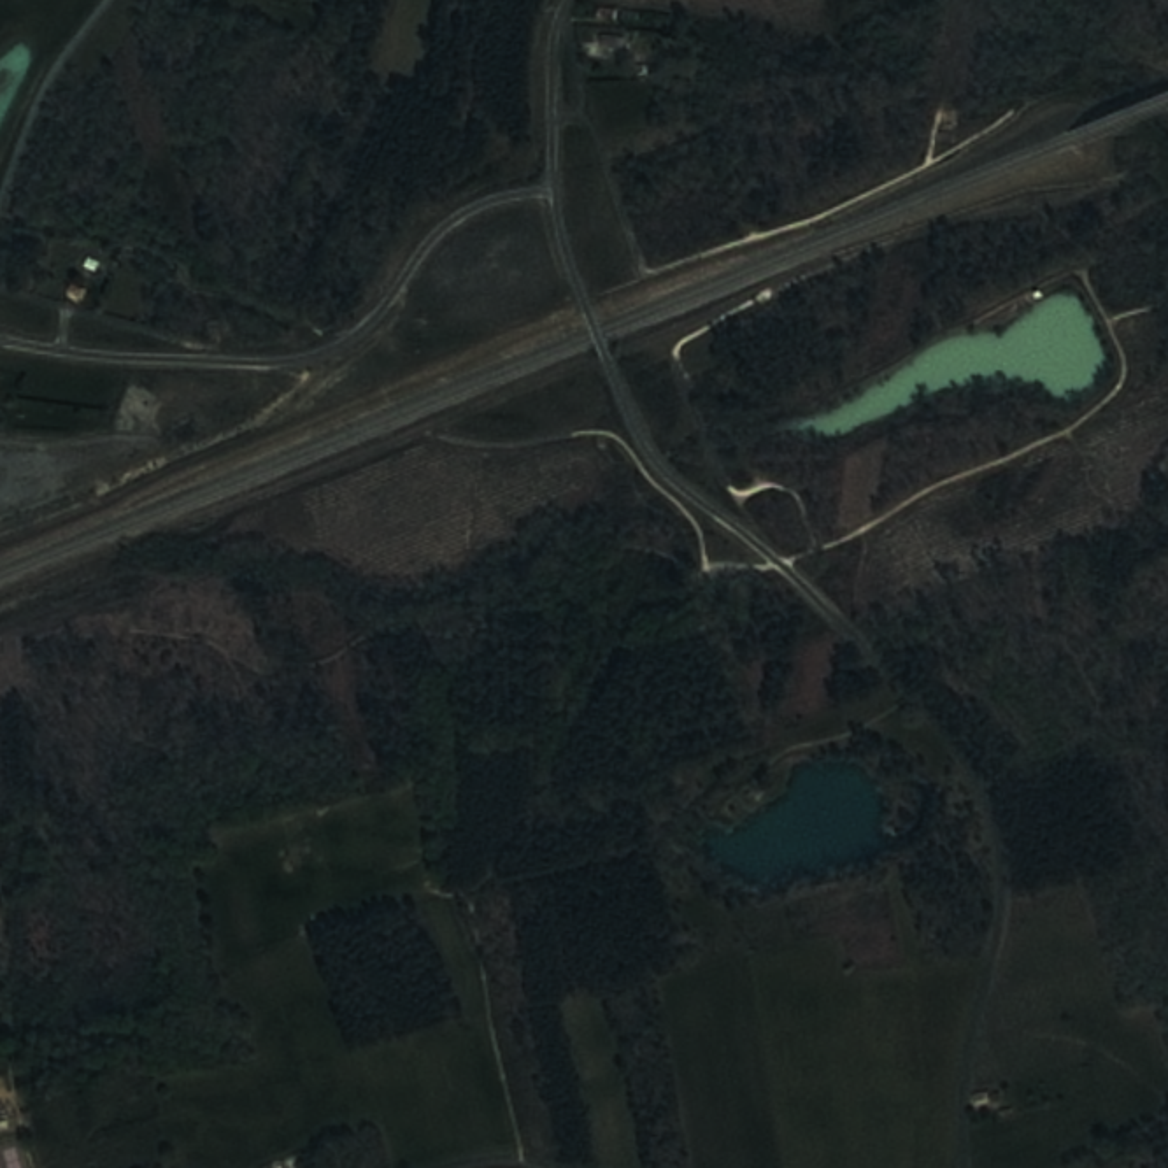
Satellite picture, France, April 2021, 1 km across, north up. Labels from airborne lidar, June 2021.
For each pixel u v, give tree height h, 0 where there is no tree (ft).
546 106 0
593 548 56
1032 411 28
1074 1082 0
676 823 44
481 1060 0
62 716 33
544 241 0
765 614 54
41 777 45
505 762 46
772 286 0
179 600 0
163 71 79
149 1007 57
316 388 0
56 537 0
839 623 0
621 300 0
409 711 62
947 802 44
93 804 0
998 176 0
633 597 25
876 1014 0
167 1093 29
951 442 33
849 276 50
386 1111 0
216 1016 52
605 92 0
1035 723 58
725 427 45
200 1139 0
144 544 25
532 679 69
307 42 37
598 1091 0
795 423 23
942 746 0
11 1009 65
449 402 0
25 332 0
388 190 61
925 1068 0
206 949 43
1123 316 0
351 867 0
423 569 0
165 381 0
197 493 0
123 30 0
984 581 43
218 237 77
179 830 55
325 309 46
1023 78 20
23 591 0
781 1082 0
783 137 45
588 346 0
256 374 0
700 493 0
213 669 24
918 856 33
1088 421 0
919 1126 0
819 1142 0
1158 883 41
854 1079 0
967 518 0
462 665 54
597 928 45
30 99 0
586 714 44
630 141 0
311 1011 0
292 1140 0
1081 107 0
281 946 0
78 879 0
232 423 0
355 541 0
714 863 61
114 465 0
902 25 54
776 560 0
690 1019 0
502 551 49
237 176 52
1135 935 54
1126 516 42
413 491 0
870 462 0
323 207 57
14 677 0
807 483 39
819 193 55
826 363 71
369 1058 0
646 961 37
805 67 23
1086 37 46
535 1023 40
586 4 26
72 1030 47
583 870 31
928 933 24
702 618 46
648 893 39
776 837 0
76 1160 0
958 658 59
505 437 0
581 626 83
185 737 38
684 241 29
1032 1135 0
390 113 52
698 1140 0
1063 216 21
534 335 0
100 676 37
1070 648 44
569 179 0
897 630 68
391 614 69
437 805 53
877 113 34
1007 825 52
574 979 41
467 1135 0
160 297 48
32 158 39
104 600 0
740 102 30
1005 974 0
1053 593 24
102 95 43
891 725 0
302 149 52
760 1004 0
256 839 0
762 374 62
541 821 54
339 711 27
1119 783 56
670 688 68
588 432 0
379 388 0
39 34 0
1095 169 0
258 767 53
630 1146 0
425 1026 69
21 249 62
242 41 57
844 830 0
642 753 44
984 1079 0
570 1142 44
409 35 0
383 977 73
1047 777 48
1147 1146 54
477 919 28
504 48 55
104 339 0
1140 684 47
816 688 0
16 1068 54
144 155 56
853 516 0
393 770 83
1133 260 20
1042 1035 0
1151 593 37
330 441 0
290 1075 0
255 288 50
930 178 0
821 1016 0
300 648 58
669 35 30
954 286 64
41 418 0
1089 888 49
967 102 35
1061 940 0
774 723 30
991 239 26
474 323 0
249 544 51
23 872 0
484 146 55
